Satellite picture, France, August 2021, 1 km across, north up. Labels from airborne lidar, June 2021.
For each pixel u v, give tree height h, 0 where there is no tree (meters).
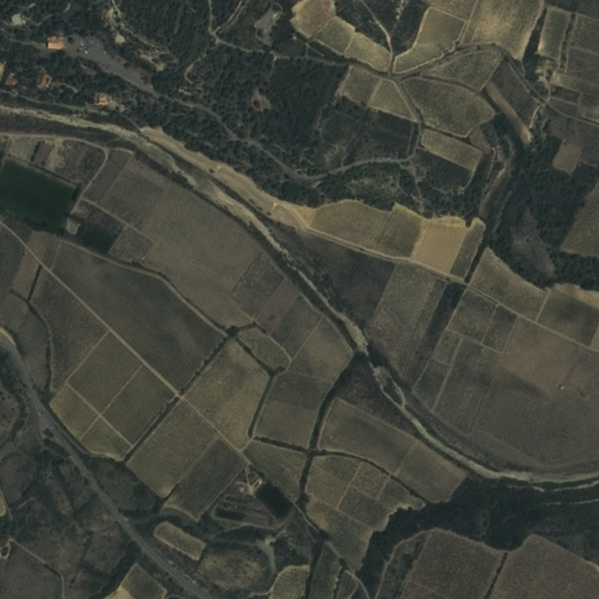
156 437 0
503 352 0
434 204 9
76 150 0
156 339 0
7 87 9
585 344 0
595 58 0
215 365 0
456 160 0
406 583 0
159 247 0
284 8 6
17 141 0
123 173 0
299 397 0
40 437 0
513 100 0
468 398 0
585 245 0
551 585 0
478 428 0
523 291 0
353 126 0
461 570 0
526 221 0
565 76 0
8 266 0
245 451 0
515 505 7
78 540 0
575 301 0
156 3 11
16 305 0
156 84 11
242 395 0
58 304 0
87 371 0
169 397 0
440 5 0
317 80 5
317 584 0
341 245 0
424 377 0
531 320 0
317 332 0
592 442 0
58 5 11
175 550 6
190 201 0
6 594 0
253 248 0
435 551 0
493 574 0
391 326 0
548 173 6
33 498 0
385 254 0
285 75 6
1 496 0
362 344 0
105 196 0
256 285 0
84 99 12
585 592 0
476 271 0
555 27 0
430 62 0
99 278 0
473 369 0
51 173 7
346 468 0
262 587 0
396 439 0
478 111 0
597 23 0
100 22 12
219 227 0
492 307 0
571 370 0
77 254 0
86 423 0
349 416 0
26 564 0
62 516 0
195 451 0
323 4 0
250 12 7
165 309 0
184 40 7
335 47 0
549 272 0
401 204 6
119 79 12
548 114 0
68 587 0
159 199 0
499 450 0
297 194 12
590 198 0
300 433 0
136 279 0
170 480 0
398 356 0
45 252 0
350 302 0
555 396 0
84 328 0
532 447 0
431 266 0
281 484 0
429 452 0
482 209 0
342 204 0
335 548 0
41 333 0
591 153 0
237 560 0
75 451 0
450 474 0
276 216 0
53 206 0
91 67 10
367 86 0
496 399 0
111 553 0
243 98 12
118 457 0
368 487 0
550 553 0
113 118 6
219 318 0
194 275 0
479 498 6
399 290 0
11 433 0
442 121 0
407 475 0
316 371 0
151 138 0
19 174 0
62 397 0
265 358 0
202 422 0
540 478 0
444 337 0
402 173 9
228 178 0
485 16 0
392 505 0
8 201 0
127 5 9
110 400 0
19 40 12
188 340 0
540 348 0
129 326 0
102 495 0
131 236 0
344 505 0
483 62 0
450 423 0
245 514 0
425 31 0
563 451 0
